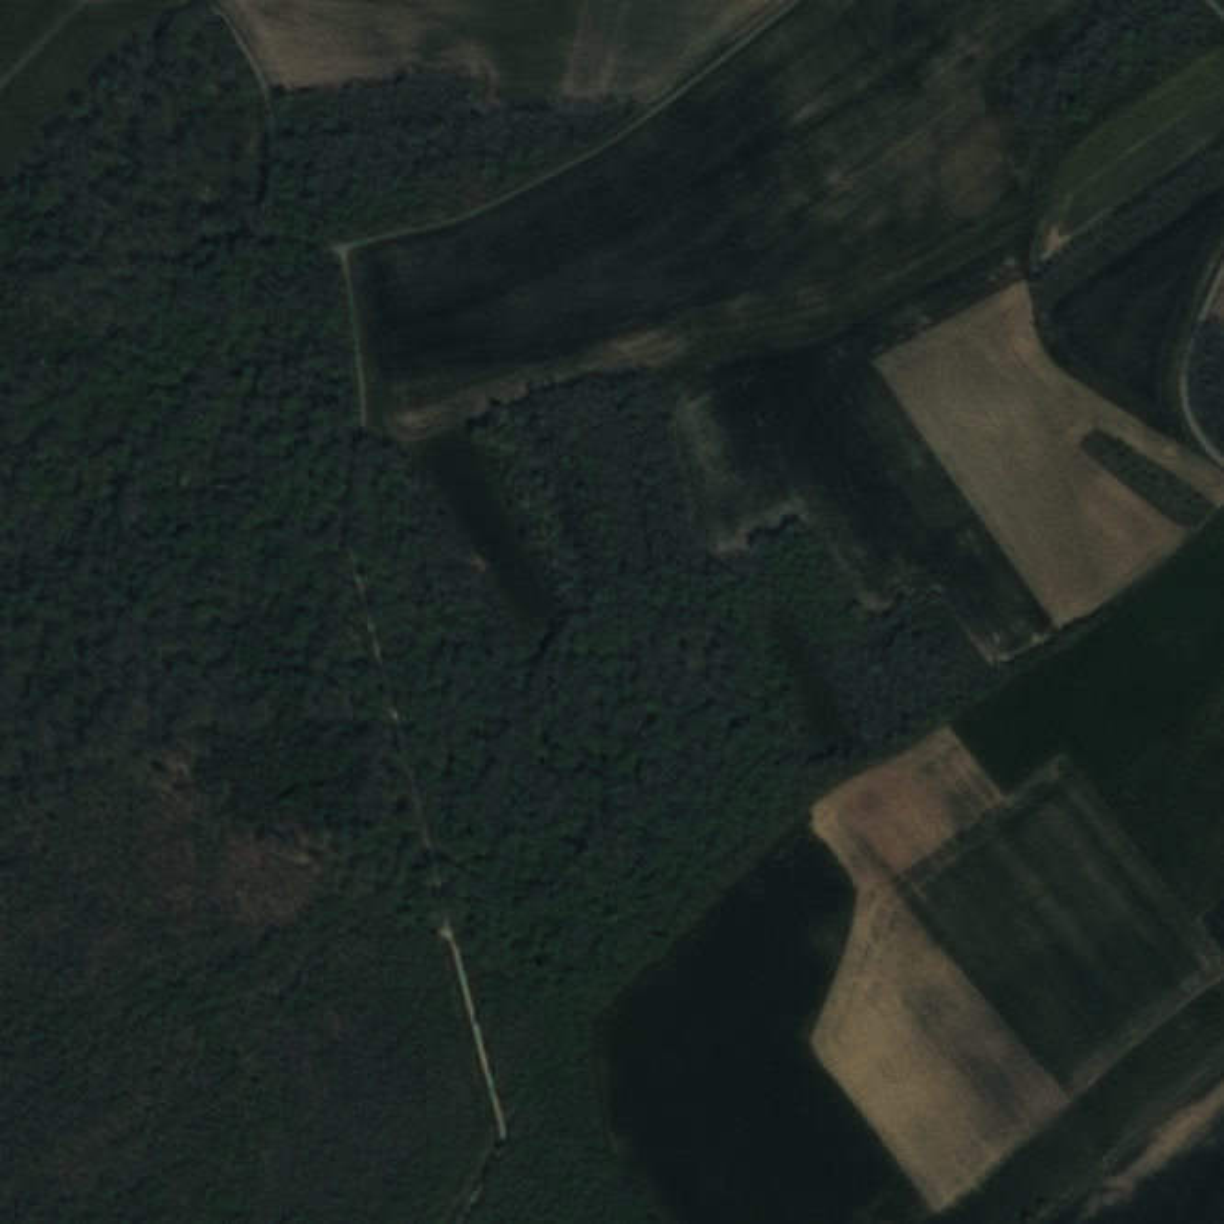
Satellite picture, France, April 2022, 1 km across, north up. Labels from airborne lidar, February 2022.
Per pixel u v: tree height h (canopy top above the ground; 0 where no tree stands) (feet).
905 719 50
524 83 0
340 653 88
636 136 0
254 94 79
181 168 91
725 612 79
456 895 74
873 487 0
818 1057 0
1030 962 0
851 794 0
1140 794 0
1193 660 0
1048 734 0
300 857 73
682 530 78
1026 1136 0
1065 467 0
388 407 0
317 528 56
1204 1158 0
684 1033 0
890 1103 0
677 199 0
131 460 92
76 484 86
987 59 0
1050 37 0
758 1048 0
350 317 61
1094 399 0
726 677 95
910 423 0
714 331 0
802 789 61
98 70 0
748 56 0
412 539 65
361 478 85
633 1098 0
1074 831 0
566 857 72
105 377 86
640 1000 0
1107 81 73
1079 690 0
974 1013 0
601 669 72
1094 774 0
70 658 72
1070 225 0
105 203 105
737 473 0
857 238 0
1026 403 0
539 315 0
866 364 0
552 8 0
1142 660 0
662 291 0
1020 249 0
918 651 77
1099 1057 0
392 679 68
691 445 0
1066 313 0
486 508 0
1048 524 0
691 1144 0
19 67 0
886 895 0
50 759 85
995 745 0
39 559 70
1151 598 0
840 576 67
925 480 0
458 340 0
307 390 72
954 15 0
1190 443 0
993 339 0
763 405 0
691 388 0
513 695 92
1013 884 0
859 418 0
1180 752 0
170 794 35
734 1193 0
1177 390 0
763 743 64
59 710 76
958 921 0
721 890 67
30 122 0
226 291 63
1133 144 0
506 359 0
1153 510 0
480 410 0
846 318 0
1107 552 0
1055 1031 0
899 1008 0
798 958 0
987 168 0
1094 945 0
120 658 80
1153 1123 0
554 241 0
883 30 0
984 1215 0
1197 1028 0
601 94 0
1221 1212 0
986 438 0
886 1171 0
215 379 96
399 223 63
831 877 0
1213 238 0
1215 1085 0
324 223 67
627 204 0
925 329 0
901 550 0
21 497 80
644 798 101
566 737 91
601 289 0
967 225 0
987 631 0
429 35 0
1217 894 0
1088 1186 0
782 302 0
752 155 0
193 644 72
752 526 0
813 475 0
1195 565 0
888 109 0
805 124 0
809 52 0
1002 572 0
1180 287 0
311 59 0
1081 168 0
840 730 0
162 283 80
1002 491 0
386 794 84
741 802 64
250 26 0
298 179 75
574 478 60
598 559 70
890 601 0
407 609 78
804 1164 0
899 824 0
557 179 0
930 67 0
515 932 79
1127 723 0
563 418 83
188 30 90
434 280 0
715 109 0
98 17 0
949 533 0
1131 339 0
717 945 0
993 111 0
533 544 53
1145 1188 0
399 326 0
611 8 0
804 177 0
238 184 0
